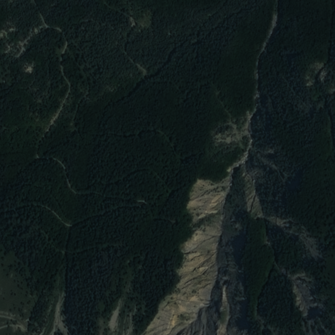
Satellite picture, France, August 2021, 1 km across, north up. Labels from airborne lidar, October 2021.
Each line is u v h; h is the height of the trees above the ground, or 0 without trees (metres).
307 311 0
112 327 0
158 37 22
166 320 0
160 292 18
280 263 16
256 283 19
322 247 7
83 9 25
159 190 21
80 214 11
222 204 0
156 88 27
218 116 18
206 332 0
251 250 20
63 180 19
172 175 24
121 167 24
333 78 17
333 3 21
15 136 20
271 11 17
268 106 8
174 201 22
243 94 28
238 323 0
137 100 24
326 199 26
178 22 17
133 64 17
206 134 13
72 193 17
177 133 25
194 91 28
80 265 11
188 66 33
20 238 18
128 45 31
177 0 20
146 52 17
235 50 19
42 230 12
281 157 14
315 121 10
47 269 13
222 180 12
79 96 16
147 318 12
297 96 9
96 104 14
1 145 16
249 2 23
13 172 17
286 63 14
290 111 13
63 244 11
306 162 22
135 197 17
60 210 18
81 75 7
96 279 20
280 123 19
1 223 14
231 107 23
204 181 6
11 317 0
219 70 21
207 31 22
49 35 22
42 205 7
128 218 19
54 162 19
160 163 21
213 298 0
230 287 0
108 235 24
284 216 11
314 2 26
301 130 12
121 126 22
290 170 10
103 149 18
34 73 10
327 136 18
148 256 15
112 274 13
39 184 16
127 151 18
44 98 16
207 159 12
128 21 19
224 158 13
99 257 10
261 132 8
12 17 12
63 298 0
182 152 25
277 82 17
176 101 23
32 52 19
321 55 20
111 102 15
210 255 0
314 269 12
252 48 24
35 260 11
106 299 6
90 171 17
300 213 18
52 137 23
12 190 14
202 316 0
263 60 16
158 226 20
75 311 16
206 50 28
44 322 7
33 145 18
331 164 22
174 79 29
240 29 21
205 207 0
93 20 19
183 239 12
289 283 12
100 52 28
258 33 25
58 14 17
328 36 27
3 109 20
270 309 14
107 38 30
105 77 29
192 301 0
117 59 28
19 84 15
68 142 13
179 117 28
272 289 13
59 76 19
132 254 11
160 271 17
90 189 24
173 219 20
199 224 6
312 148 12
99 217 12
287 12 25
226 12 23
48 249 12
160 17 28
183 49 26
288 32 28
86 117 17
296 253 14
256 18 23
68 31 21
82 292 13
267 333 11
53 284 12
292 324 13
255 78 10
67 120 20
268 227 7
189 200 18
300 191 22
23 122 17
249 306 8
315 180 23
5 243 13
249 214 9
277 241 10
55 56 24
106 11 18
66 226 10
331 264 0
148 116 21
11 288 0
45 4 18
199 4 19
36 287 19
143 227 20
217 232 0
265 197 8
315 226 16
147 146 20
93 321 9
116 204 14
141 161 21
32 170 18
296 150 22
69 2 24
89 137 14
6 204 19
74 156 18
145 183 18
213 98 18
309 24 24
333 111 13
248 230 11
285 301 18
